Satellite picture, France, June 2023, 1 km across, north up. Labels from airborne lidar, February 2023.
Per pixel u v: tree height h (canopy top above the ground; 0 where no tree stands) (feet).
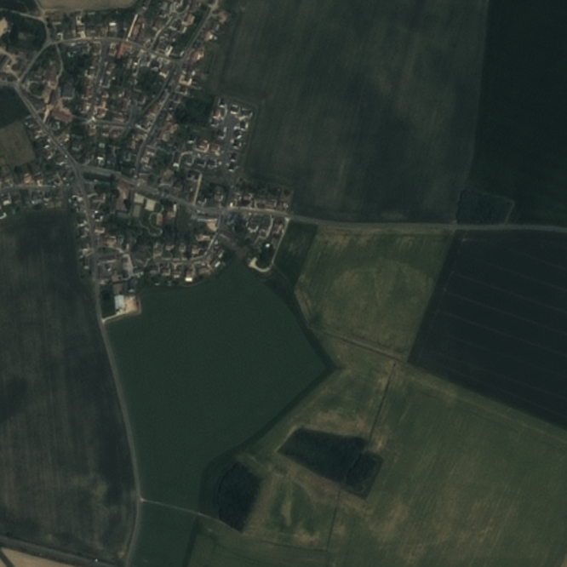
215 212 0
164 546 0
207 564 0
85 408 0
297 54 0
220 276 0
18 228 0
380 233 0
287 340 0
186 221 0
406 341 0
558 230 0
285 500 0
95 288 0
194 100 20
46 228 0
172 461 0
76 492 0
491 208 44
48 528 0
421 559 0
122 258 0
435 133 0
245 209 0
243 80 0
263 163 0
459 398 0
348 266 0
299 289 0
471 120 0
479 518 0
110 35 0
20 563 0
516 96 0
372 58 0
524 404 0
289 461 0
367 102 0
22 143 0
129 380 0
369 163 0
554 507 0
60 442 0
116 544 0
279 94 0
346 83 0
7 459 0
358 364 0
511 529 0
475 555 0
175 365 0
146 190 0
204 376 0
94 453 0
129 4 0
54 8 0
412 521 0
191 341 0
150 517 0
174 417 0
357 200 0
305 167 0
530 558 0
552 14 0
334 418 0
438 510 0
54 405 0
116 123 0
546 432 0
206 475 0
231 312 0
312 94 0
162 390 0
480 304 0
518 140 0
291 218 0
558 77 0
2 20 0
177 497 0
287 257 0
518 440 0
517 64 0
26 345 0
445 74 0
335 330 0
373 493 0
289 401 0
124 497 0
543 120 0
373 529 0
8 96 0
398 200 0
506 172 0
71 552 0
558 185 0
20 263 0
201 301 0
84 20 21
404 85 0
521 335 0
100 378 0
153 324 0
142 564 0
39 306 0
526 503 0
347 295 0
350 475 27
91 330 0
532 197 0
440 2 0
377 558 0
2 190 0
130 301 0
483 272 0
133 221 36
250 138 0
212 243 0
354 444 34
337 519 0
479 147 0
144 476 0
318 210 0
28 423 0
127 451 0
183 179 23
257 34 0
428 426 0
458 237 0
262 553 0
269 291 0
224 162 0
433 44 0
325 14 0
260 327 0
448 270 0
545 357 0
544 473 0
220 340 0
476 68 0
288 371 0
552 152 0
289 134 0
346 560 0
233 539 0
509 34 0
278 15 0
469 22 0
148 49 0
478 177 0
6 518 0
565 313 0
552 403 0
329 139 0
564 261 0
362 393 0
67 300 0
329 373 0
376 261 0
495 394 0
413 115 0
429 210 0
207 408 0
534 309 0
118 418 0
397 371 0
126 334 0
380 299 0
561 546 0
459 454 0
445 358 0
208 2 0
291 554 0
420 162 0
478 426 0
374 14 0
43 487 0
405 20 0
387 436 0
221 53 0
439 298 0
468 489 0
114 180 34
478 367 0
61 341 0
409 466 0
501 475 0
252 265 0
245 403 0
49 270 0
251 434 0
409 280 0
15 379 0
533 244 0
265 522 0
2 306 0
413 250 0
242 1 0
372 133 0
